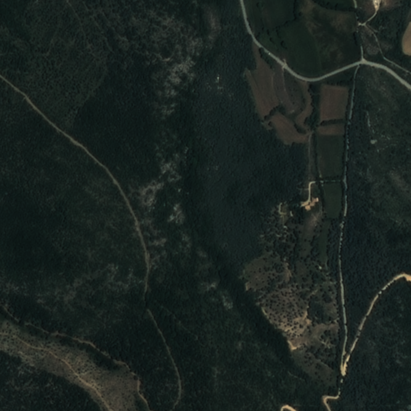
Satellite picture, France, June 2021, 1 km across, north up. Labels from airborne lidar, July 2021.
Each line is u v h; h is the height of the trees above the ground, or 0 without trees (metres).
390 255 7
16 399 6
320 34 0
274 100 0
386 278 10
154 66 6
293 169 9
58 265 10
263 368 7
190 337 12
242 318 9
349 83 14
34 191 6
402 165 7
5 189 10
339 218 7
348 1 0
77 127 6
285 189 10
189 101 11
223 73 7
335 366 12
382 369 6
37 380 10
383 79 0
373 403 7
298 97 0
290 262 12
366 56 6
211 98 8
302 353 0
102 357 11
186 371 8
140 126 8
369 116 0
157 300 11
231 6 11
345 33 0
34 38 8
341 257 8
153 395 7
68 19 7
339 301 9
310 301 12
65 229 7
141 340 10
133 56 8
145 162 7
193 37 5
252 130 11
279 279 10
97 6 8
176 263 8
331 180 7
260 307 7
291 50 0
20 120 6
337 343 11
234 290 11
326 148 0
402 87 0
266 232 10
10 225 7
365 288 7
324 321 6
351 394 7
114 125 7
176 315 9
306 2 0
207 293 6
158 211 7
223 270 19
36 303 7
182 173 6
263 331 23
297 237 10
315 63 0
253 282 0
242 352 7
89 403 9
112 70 6
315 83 0
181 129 13
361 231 8
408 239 11
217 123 7
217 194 10
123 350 8
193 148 16
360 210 9
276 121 0
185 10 7
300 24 0
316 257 13
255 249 11
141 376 8
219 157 8
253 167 13
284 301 9
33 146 7
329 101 0
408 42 0
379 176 0
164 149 8
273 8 0
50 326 7
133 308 8
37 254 6
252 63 11
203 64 7
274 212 9
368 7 0
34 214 9
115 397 0
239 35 6
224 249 8
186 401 9
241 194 13
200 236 8
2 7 7
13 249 7
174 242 8
